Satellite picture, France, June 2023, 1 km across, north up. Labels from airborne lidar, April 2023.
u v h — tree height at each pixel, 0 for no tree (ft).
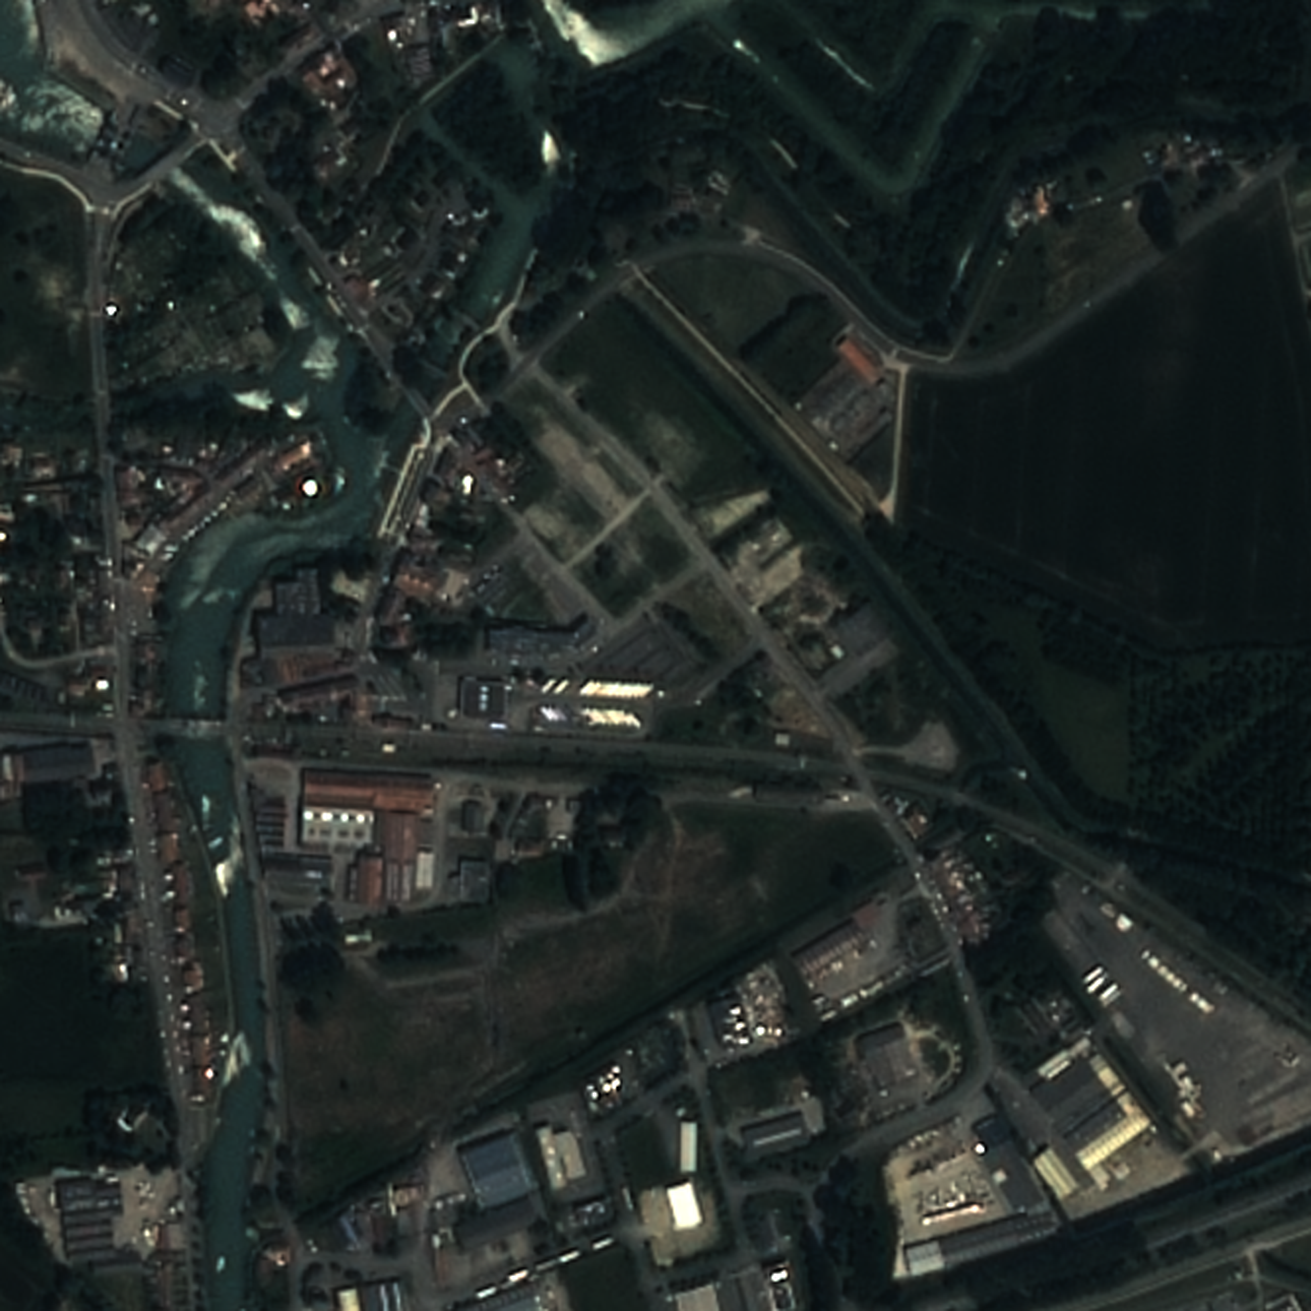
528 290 31
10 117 0
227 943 0
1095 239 0
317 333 0
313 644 0
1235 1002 0
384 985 0
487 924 0
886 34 24
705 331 0
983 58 0
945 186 48
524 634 0
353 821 0
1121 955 0
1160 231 89
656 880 0
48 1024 0
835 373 0
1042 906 34
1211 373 0
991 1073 0
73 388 0
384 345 0
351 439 0
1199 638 0
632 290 0
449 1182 0
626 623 0
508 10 38
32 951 0
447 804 0
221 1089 0
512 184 21
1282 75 40
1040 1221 0
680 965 0
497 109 57
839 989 0
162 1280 0
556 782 0
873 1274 68
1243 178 0
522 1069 0
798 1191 0
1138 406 0
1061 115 27
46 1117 0
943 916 0
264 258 0
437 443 0
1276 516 0
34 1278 0
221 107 0
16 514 26
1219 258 0
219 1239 0
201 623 0
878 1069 0
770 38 0
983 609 0
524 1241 0
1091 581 0
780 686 0
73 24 0
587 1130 0
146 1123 0
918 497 0
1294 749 43
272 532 0
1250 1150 0
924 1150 0
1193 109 0
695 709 0
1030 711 33
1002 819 0
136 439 0
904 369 0
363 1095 0
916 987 19
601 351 0
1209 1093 0
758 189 24
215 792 0
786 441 0
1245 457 0
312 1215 23
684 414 0
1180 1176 0
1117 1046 0
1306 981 29
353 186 31
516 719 0
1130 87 66
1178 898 72
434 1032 0
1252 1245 0
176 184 0
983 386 0
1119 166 0
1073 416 0
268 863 0
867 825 0
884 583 0
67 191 0
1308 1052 0
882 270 69
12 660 0
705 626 0
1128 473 0
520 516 0
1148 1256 51
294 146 43
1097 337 0
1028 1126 0
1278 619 0
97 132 0
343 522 0
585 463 0
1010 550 0
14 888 0
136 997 42
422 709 0
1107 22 60
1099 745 0
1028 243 0
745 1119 0
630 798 75
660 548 0
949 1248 0
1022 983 42
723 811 0
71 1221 0
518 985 0
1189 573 0
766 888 0
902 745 0
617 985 0
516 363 0
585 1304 0
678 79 40
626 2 47
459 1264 0
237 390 0
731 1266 0
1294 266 0
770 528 0
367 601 0
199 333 0
